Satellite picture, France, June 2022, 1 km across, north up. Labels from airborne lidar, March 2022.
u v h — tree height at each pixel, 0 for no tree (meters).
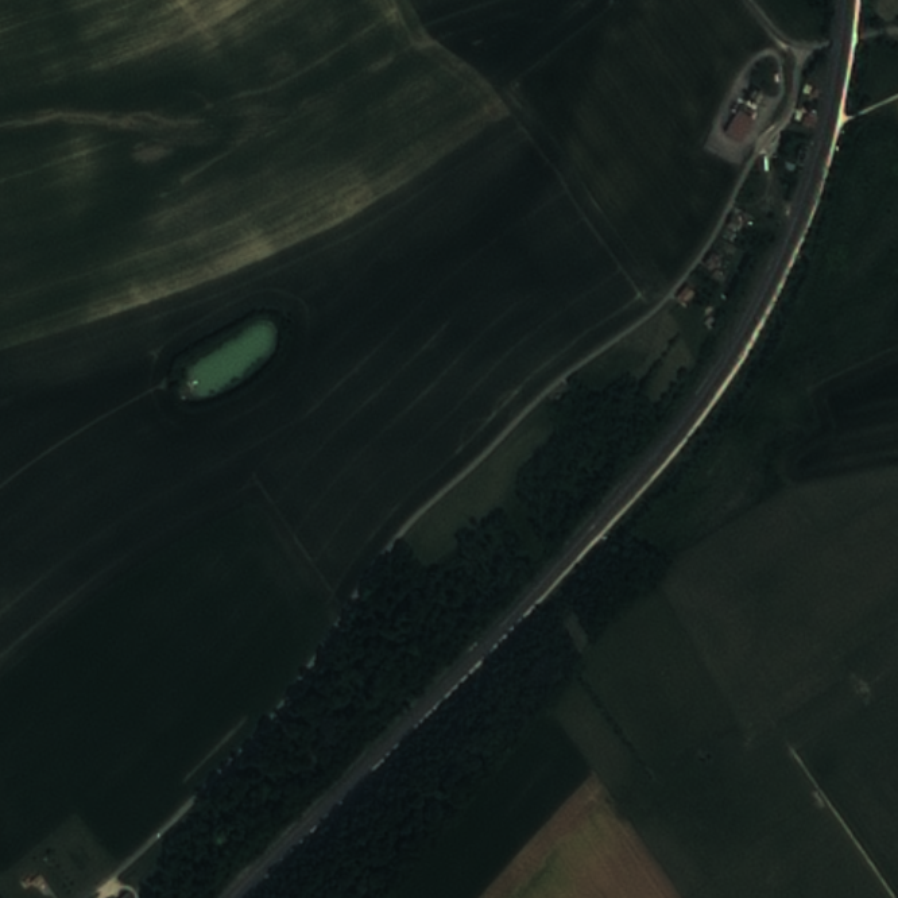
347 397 0
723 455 0
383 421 0
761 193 0
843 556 0
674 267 0
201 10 0
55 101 0
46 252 0
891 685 0
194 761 0
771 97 0
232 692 0
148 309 0
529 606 0
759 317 0
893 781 0
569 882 0
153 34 0
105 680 0
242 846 16
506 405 0
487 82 0
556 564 0
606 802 0
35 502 0
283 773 20
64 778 0
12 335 0
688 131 0
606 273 0
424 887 0
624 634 0
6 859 0
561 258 0
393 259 0
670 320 0
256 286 0
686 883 0
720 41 0
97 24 0
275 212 0
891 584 0
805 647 0
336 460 0
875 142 0
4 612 0
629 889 0
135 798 0
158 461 0
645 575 21
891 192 0
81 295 0
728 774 0
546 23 0
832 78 0
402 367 0
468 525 0
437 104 0
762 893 0
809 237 6
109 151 0
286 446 0
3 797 0
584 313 0
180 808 0
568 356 0
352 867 22
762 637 0
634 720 0
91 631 0
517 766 0
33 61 0
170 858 18
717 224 0
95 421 0
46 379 0
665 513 0
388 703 12
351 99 0
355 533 0
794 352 0
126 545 0
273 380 0
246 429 0
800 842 0
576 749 0
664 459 0
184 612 0
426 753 15
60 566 0
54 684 0
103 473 0
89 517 0
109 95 0
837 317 0
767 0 0
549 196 0
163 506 0
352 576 0
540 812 0
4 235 0
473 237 0
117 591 0
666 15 0
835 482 0
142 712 0
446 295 0
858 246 0
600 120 0
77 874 0
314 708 19
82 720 0
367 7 0
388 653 19
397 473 0
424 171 0
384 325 0
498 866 0
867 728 0
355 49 0
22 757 0
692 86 0
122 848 0
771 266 0
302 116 0
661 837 0
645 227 0
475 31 0
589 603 17
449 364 0
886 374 0
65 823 0
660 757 0
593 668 0
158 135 0
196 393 0
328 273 0
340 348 0
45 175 0
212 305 0
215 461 0
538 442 0
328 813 0
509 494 0
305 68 0
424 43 0
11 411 0
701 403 0
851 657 0
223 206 0
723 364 0
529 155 0
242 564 0
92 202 0
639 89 0
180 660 0
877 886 0
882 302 0
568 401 6
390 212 0
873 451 0
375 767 0
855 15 0
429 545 0
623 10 0
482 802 0
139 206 0
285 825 9
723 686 0
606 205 0
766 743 0
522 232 0
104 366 0
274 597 0
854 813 0
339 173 0
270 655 0
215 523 0
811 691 0
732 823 0
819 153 0
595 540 0
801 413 0
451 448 0
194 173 0
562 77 0
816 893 0
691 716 0
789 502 0
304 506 0
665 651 0
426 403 0
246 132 0
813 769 0
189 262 0
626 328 0
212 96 0
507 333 0
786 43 0
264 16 0
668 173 0
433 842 20
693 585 0
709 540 0
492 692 21
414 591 24
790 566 0
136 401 0
